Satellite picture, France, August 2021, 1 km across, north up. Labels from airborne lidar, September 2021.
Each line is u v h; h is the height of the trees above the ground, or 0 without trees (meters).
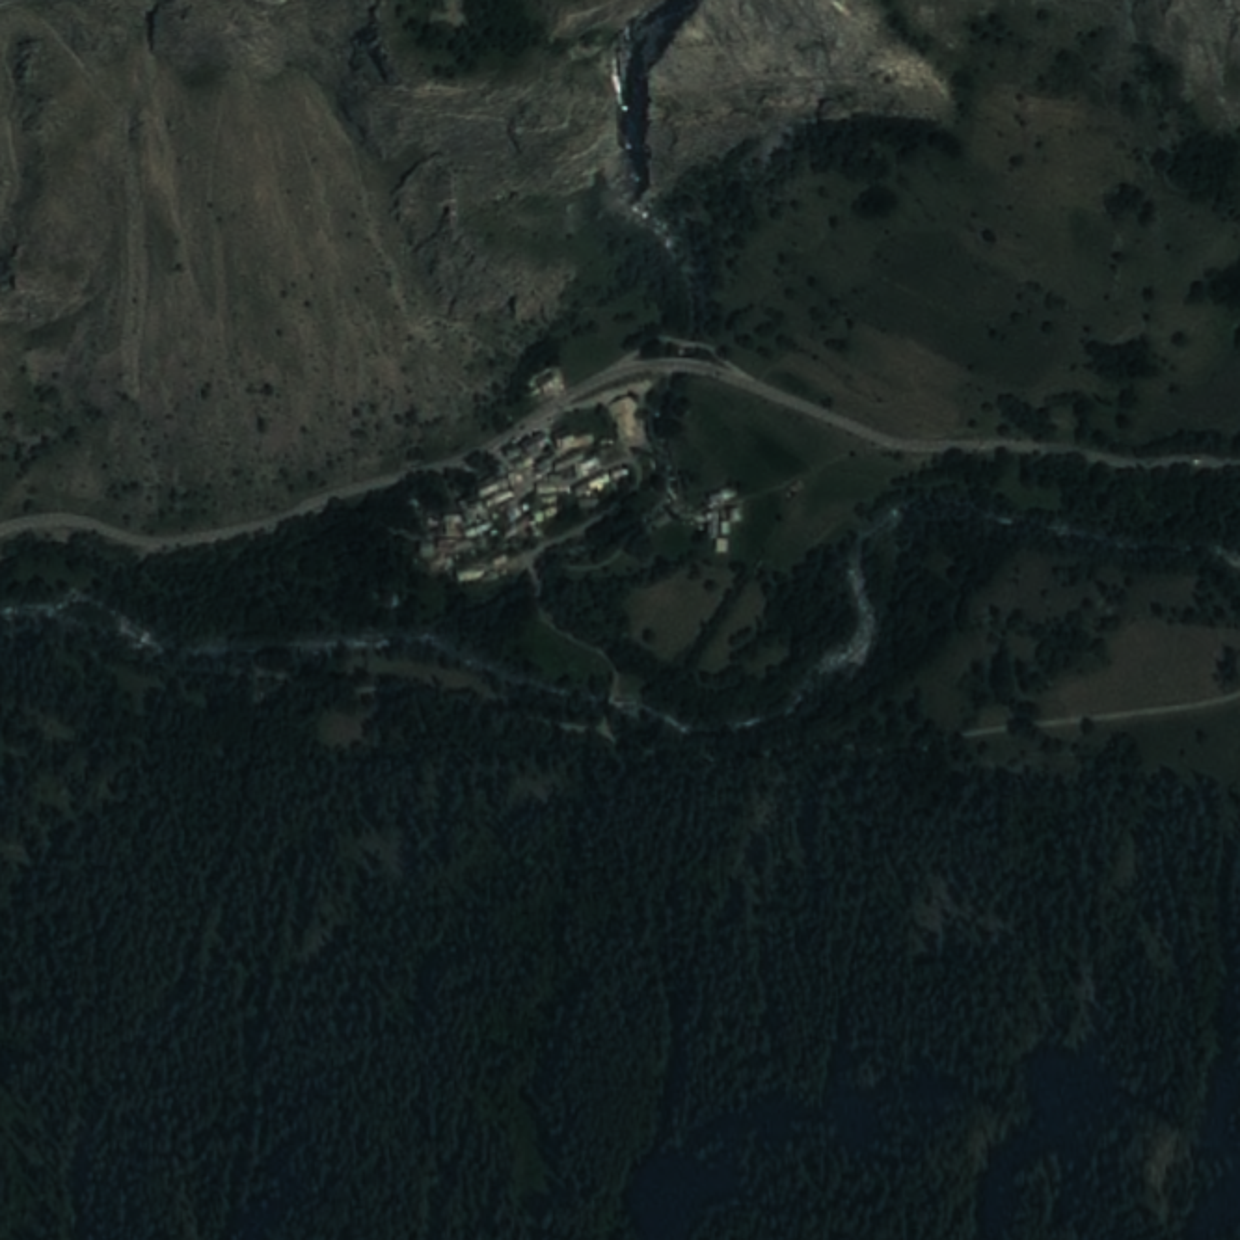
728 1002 27
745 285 0
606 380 0
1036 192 0
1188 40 0
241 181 0
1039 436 8
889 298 0
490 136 0
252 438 0
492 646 18
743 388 0
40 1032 25
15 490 0
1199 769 0
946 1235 30
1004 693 20
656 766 14
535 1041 7
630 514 14
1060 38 0
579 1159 24
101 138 0
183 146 0
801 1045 16
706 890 9
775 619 12
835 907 24
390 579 18
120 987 22
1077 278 0
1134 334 0
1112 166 0
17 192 0
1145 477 15
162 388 0
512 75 0
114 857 20
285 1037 28
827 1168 15
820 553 9
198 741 16
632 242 9
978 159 0
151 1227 20
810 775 6
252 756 10
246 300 0
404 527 19
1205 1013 19
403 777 29
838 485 0
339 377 0
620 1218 9
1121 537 19
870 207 9
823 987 18
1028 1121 13
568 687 11
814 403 0
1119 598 10
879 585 12
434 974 9
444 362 0
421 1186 22
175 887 10
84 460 0
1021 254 0
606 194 0
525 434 0
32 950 12
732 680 13
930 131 12
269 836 18
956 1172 15
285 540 10
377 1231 17
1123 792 6
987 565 13
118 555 9
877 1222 22
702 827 21
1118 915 10
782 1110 21
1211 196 8
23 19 0
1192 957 23
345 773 10
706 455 0
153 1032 27
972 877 21
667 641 0
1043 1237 35
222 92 0
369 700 11
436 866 19
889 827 15
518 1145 24
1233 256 0
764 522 0
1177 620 10
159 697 14
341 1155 18
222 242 0
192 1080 25
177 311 0
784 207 6
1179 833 23
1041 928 6
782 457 0
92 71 0
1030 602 0
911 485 13
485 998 28
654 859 23
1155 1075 31
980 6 0
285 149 0
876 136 15
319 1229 14
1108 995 16
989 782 14
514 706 7
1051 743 13
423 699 19
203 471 0
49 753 17
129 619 9
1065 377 0
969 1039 24
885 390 0
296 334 0
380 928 11
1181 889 22
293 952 9
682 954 10
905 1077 25
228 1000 23
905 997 21
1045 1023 8
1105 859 24
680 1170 22
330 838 8
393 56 0
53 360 0
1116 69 0
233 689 18
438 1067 25
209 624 14
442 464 0
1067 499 10
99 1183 23
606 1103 22
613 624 9
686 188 8
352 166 0
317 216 0
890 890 7
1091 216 0
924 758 16
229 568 16
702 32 0
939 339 0
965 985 21
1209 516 18
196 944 8
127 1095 26
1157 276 0
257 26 0
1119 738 8
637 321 9
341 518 19
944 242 0
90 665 8
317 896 28
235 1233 8
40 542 13
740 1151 14
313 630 8
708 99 0
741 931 25
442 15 0
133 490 7
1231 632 10
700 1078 24
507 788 18
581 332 12
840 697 18
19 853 0
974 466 19
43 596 16
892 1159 23
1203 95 0
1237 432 0
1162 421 0
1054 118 0
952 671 0
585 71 0
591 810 15
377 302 0
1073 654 12
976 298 0
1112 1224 16
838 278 0
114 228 0
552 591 13
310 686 18
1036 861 8
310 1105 13
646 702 9
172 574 13
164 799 15
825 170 10
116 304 0
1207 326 0
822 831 29
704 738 16
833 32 0
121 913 28
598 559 9
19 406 0
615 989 25
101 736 16
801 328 0
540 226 0
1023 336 0
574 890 8
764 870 27
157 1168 24
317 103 0
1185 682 0
